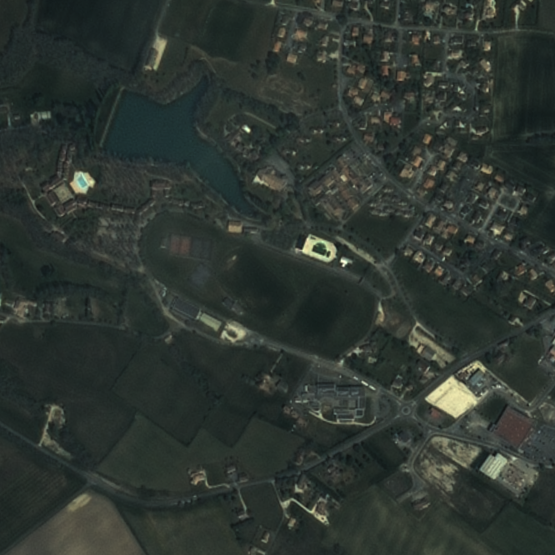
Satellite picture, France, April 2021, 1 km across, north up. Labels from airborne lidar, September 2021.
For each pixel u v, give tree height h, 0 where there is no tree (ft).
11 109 0
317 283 0
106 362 0
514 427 0
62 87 0
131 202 47
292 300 0
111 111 0
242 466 0
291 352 0
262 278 0
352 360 30
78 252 52
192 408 0
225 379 0
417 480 0
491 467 0
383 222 0
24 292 30
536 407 0
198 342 0
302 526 23
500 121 0
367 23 0
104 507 0
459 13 29
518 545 0
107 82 84
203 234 0
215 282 0
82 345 0
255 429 0
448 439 0
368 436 0
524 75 0
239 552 0
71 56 64
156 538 0
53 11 0
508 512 0
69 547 0
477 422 0
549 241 0
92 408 0
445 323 0
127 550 0
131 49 0
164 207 27
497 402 0
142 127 0
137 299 0
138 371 0
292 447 0
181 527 0
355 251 0
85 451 35
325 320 0
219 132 37
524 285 21
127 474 0
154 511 0
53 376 0
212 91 69
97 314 0
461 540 0
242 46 0
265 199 0
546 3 0
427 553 0
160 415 0
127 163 56
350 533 0
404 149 30
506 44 0
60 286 42
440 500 0
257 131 46
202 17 0
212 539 0
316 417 0
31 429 0
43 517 0
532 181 0
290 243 29
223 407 0
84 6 0
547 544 0
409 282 0
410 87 27
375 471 0
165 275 0
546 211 0
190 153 0
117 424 0
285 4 0
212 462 0
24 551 0
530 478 0
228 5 0
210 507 0
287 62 19
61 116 0
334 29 0
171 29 0
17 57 77
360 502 0
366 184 0
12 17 0
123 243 50
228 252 0
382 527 0
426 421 0
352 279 0
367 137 0
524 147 0
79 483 0
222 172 0
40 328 0
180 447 0
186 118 0
